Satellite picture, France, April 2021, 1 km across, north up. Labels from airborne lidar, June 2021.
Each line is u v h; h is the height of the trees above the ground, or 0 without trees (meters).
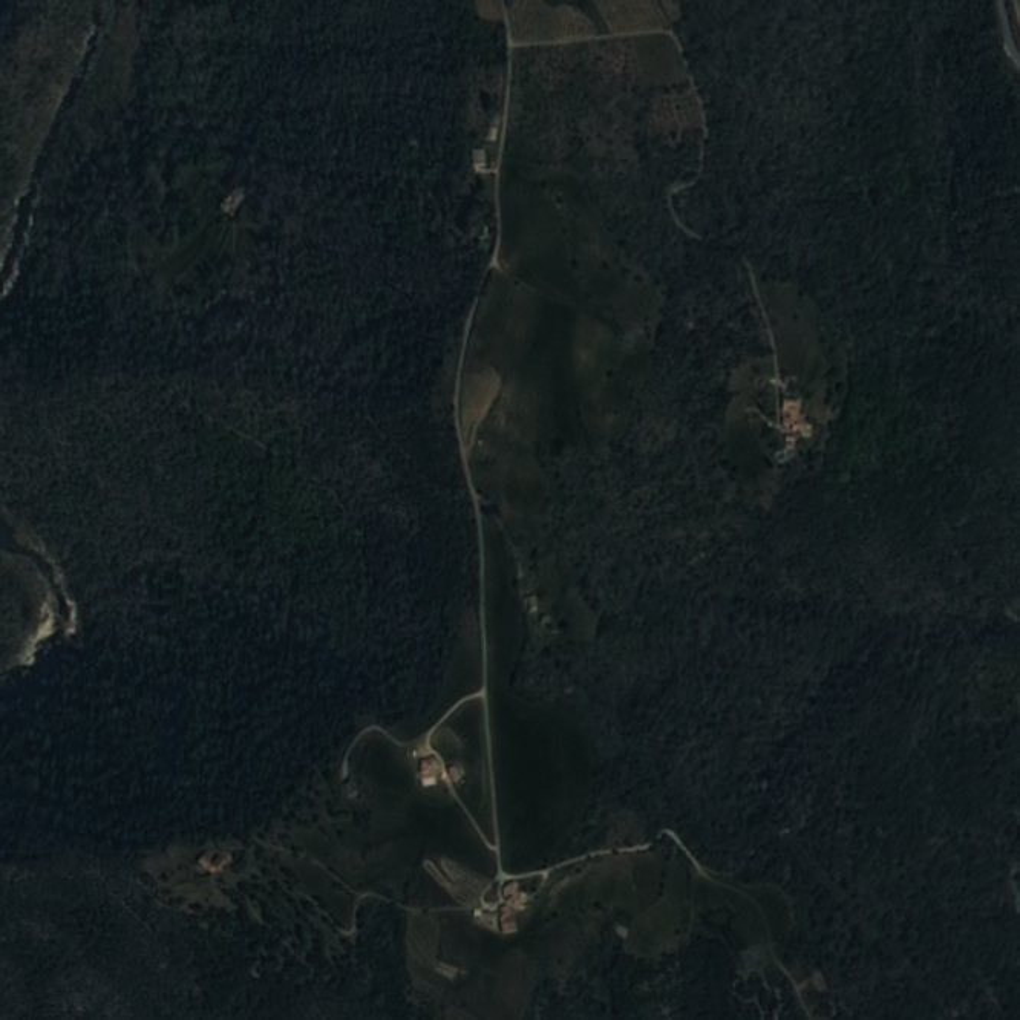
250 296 15
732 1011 7
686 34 9
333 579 10
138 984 7
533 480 0
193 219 13
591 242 9
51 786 8
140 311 15
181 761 10
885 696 9
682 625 10
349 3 6
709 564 10
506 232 0
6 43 6
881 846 8
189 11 20
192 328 11
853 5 14
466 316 8
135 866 6
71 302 11
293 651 9
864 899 14
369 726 0
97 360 9
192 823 8
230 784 8
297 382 6
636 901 0
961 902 7
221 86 10
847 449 8
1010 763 8
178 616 11
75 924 9
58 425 11
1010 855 10
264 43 6
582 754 0
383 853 0
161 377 6
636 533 9
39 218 9
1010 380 10
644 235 8
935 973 15
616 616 10
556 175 0
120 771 12
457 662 0
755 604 9
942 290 22
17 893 7
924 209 11
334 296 14
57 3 9
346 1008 8
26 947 14
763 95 12
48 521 13
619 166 10
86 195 17
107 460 7
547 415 0
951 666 9
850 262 13
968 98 12
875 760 9
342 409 7
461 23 12
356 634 10
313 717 9
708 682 11
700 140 7
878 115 10
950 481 12
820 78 8
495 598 0
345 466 7
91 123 6
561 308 0
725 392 11
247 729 12
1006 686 10
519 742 0
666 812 9
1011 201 9
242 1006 6
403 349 6
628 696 6
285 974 9
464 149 11
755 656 10
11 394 7
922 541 9
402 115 7
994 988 11
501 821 0
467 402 0
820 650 8
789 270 10
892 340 8
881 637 10
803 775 14
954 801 9
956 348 12
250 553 16
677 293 12
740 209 16
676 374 6
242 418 8
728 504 9
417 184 8
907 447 11
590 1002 7
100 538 11
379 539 8
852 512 9
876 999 10
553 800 0
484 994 0
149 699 9
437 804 0
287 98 12
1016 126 8
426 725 0
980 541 9
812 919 8
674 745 12
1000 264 9
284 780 8
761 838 9
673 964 6
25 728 13
